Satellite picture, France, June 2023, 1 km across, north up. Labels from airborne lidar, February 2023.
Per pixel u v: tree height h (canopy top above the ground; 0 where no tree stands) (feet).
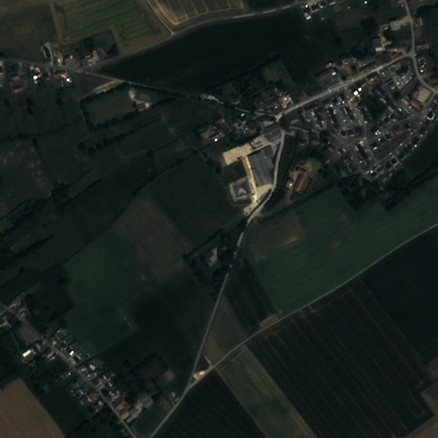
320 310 0
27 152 0
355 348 0
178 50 0
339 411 0
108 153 0
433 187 0
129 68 0
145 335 0
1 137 0
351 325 0
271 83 31
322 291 0
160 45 0
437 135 0
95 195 0
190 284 0
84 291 0
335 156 0
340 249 0
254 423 0
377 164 0
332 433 0
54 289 0
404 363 0
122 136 37
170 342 0
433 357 0
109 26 0
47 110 0
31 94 0
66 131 0
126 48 0
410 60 0
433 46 0
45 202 49
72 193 0
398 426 0
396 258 0
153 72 0
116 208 0
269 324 0
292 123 0
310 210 0
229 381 0
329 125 0
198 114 0
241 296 0
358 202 85
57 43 0
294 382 0
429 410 0
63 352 0
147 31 0
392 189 57
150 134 0
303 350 0
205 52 0
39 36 0
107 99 0
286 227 0
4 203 0
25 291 0
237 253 0
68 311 0
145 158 0
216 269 0
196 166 0
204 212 0
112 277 0
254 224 0
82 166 0
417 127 0
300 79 0
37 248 40
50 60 0
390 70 0
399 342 0
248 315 0
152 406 0
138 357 0
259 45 0
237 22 0
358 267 0
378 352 0
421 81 0
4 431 0
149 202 0
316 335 0
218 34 0
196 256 0
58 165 0
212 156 0
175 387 0
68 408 0
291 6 0
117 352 0
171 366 0
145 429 0
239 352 0
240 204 0
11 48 0
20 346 25
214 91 23
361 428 0
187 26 0
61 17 0
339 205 0
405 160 0
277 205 0
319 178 0
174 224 0
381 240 0
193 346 0
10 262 49
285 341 0
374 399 0
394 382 0
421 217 0
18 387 0
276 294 0
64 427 0
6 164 0
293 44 0
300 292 0
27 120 0
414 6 0
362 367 0
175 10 0
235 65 0
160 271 0
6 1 0
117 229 0
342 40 54
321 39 0
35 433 0
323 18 0
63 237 0
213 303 0
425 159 0
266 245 0
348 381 0
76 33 0
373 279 0
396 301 0
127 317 0
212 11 0
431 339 0
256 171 0
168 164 0
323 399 0
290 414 0
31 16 0
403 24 0
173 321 0
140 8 0
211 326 0
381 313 0
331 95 0
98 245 0
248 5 0
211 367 0
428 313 0
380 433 0
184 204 0
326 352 0
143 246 0
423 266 0
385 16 0
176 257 0
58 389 0
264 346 0
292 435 0
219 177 0
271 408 0
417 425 0
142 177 0
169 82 0
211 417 0
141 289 0
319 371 0
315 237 0
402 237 0
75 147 0
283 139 0
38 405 0
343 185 47
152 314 0
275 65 0
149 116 0
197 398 0
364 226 0
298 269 0
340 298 0
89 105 0
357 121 0
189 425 0
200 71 0
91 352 0
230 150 0
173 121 0
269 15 0
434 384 0
